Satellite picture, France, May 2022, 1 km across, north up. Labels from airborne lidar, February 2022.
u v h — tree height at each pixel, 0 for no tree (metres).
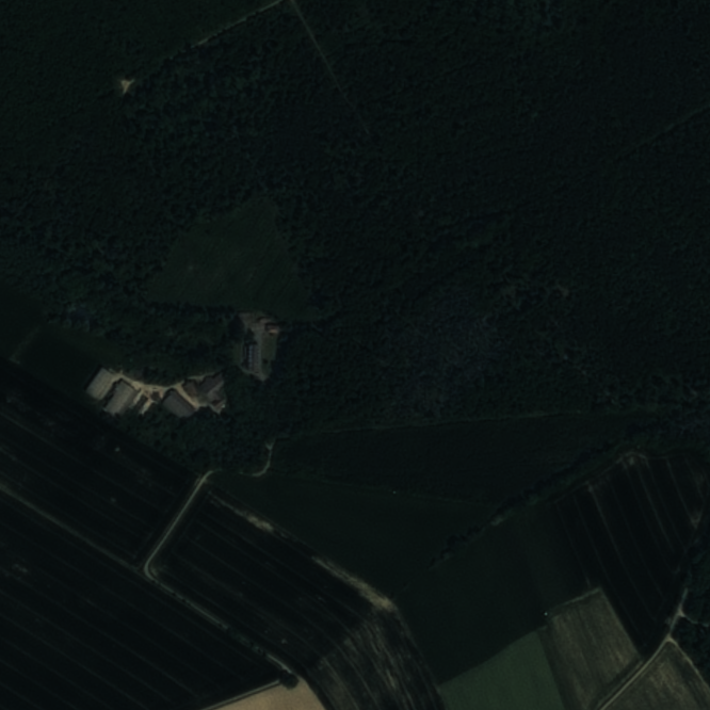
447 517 0
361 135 16
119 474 0
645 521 0
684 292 15
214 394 0
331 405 23
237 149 12
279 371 26
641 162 16
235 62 15
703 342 13
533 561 0
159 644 0
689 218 15
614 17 14
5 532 0
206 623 0
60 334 0
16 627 0
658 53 12
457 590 0
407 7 11
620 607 0
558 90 14
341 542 0
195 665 0
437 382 19
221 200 26
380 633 0
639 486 0
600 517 0
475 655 0
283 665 0
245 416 17
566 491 0
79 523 0
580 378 16
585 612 0
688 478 0
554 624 0
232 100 29
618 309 14
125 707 0
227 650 0
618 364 13
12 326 0
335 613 0
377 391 22
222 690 0
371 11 17
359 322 23
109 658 0
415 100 8
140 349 6
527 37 11
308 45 8
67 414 0
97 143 15
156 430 11
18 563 0
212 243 0
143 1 10
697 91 16
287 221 10
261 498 0
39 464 0
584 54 15
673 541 0
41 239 30
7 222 28
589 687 0
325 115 16
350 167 12
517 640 0
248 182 13
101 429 0
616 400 6
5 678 0
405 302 16
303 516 0
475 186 11
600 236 14
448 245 30
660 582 0
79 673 0
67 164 17
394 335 21
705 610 25
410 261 17
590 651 0
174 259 0
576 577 0
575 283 14
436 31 8
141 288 10
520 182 12
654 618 0
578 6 12
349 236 14
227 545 0
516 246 15
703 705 0
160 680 0
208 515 0
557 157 14
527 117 13
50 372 0
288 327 12
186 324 23
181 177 13
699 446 19
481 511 0
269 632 0
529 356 16
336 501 0
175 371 0
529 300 23
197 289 0
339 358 23
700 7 15
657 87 15
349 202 14
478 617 0
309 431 21
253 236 0
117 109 15
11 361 0
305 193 13
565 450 0
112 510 0
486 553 0
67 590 0
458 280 17
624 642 0
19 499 0
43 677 0
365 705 0
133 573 0
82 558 0
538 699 0
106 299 22
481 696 0
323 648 0
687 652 18
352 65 16
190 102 30
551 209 15
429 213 14
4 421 0
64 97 14
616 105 14
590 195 14
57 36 15
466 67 11
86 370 0
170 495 0
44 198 14
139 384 0
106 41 20
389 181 13
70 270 25
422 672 0
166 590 0
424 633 0
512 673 0
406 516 0
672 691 0
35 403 0
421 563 0
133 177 17
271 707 0
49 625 0
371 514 0
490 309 16
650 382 10
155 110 18
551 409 16
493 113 7
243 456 14
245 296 0
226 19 11
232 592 0
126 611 0
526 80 15
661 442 21
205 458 22
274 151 15
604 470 0
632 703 0
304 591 0
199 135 33
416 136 8
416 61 10
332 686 0
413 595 0
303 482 0
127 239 14
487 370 17
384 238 14
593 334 13
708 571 19
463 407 19
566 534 0
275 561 0
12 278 18
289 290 0
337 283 14
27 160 18
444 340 19
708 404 11
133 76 20
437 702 0
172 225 13
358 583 0
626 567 0
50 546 0
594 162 15
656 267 13
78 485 0
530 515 0
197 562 0
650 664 0
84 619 0
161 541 0
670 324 13
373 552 0
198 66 28
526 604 0
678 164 6
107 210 12
